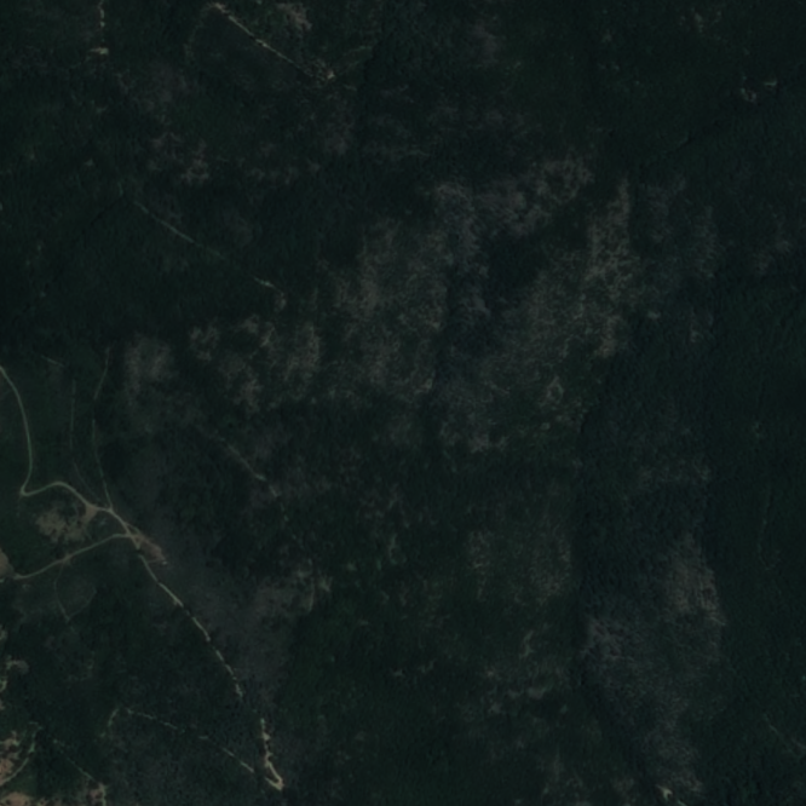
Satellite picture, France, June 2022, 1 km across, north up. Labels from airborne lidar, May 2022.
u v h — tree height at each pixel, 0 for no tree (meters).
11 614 9
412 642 11
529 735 6
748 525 8
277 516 8
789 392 14
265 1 9
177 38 20
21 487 0
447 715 8
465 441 7
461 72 12
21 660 14
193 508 8
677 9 11
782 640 13
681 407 8
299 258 9
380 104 13
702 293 7
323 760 9
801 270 11
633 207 13
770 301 11
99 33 5
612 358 14
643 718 9
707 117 24
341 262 7
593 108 18
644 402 8
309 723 7
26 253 7
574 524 11
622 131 14
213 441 9
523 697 8
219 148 6
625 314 8
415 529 7
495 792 7
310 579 6
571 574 6
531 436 10
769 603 11
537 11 10
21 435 0
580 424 9
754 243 10
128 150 15
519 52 7
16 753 10
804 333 8
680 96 12
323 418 9
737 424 13
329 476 7
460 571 8
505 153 7
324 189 8
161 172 11
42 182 21
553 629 8
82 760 11
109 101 10
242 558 13
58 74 12
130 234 8
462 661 6
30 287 9
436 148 9
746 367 8
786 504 14
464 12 10
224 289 8
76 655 7
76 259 7
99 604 12
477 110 6
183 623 6
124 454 10
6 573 0
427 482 11
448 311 7
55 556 7
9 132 12
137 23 9
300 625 10
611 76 13
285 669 7
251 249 8
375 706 9
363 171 16
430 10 14
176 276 8
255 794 7
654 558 9
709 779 9
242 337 9
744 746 10
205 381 12
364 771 10
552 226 5
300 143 18
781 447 10
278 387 6
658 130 14
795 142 9
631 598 6
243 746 11
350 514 7
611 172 9
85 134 9
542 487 8
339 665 13
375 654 15
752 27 13
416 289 6
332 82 7
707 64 17
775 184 6
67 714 8
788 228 6
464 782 16
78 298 8
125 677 9
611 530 10
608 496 14
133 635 11
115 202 10
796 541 10
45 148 15
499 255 10
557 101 6
